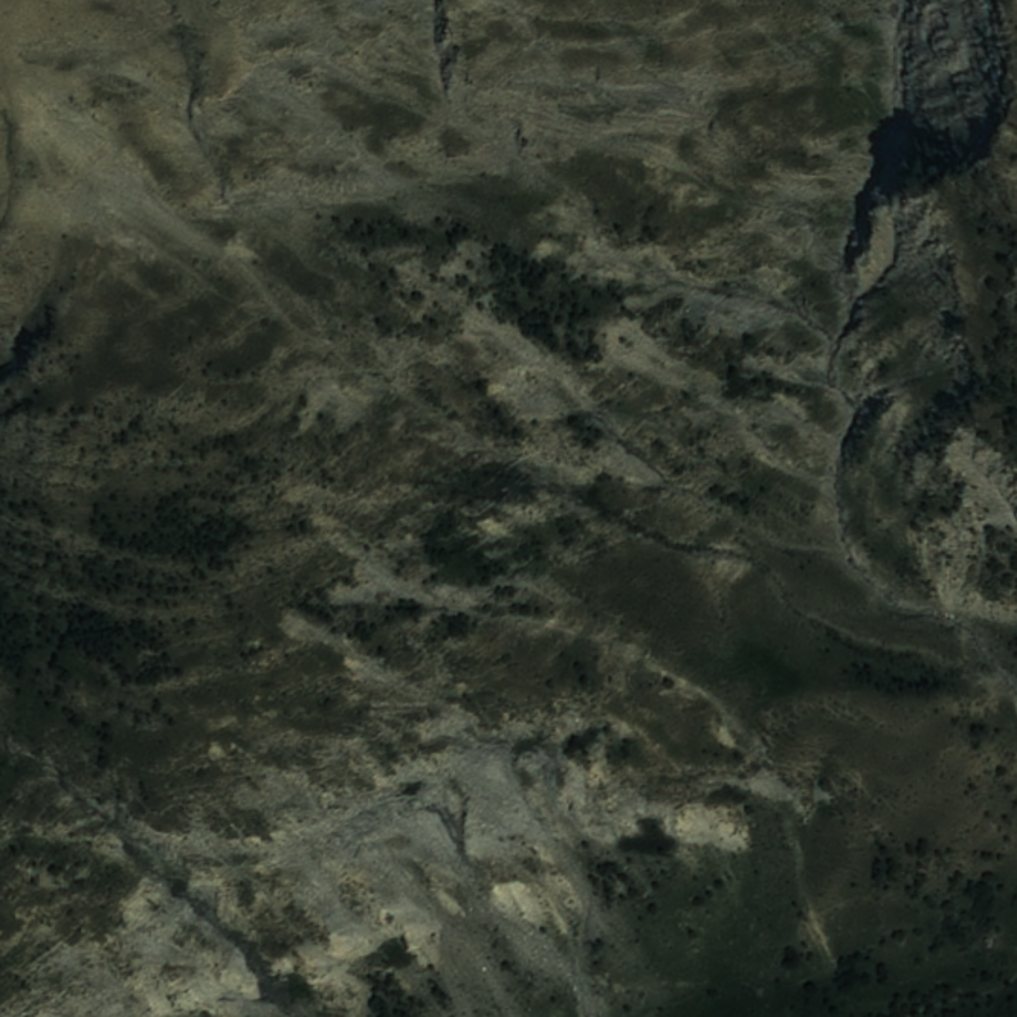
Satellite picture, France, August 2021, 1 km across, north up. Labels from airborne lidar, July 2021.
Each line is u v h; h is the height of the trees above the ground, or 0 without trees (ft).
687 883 0
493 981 0
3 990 0
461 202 0
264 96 0
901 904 0
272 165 0
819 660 0
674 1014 0
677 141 0
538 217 0
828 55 0
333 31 0
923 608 0
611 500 0
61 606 22
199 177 0
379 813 0
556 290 0
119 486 0
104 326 0
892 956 0
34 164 0
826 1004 25
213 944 0
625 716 0
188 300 0
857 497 0
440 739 0
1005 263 65
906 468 24
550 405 0
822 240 0
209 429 0
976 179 22
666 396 0
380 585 0
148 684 42
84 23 0
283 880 0
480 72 0
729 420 0
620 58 0
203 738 0
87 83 0
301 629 0
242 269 0
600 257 0
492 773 0
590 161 0
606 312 0
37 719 0
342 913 0
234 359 0
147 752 0
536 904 0
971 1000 25
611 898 29
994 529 39
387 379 0
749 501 35
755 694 0
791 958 29
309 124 0
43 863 20
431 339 0
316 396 0
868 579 0
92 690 0
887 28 0
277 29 0
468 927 0
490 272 19
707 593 0
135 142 0
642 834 0
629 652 0
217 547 43
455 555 35
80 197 0
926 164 31
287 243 0
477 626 27
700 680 0
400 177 0
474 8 0
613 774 0
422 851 0
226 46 0
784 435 0
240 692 0
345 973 0
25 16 0
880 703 0
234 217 0
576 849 0
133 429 36
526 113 0
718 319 0
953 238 0
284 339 0
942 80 0
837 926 0
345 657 0
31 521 0
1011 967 0
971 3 0
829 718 0
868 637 0
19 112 0
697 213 0
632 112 0
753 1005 0
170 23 0
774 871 0
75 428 38
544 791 0
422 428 0
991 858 39
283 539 0
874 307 0
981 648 0
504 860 0
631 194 0
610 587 0
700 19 0
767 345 24
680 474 30
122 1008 0
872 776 0
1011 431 73
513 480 68
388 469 0
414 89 0
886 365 21
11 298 0
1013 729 0
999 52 26
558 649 0
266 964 0
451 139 0
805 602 0
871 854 0
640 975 0
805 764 0
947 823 0
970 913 27
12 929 0
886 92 0
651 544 0
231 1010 0
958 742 0
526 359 0
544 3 0
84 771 0
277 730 0
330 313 0
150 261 0
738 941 0
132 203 0
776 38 0
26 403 28
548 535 0
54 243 0
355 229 18
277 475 24
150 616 0
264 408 0
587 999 0
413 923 0
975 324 0
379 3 0
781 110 0
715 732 0
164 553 24
